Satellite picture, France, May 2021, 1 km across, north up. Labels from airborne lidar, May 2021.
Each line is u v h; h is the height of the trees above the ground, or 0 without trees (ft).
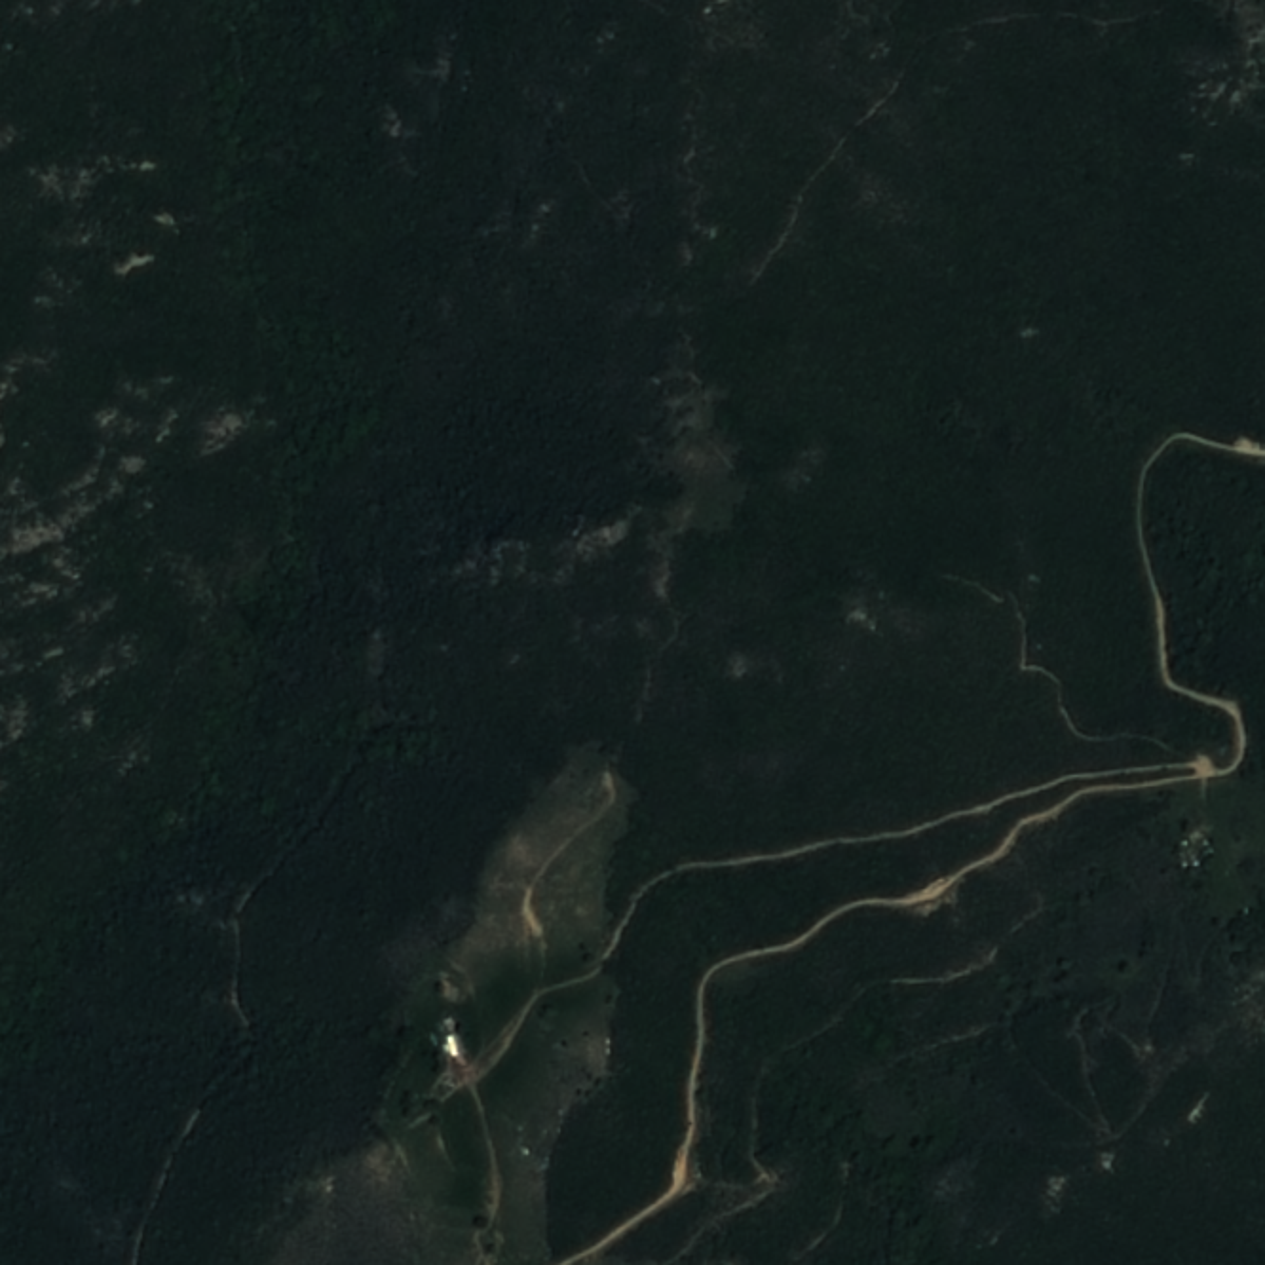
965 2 19
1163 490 26
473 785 18
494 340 19
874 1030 33
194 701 19
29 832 21
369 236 18
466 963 0
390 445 22
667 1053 17
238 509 21
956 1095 0
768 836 18
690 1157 0
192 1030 30
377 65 20
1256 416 19
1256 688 20
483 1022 0
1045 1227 21
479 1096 0
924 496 22
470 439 20
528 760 20
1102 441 21
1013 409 19
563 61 25
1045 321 20
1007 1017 32
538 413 23
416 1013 0
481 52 18
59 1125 25
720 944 19
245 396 21
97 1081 19
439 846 17
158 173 18
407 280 21
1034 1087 18
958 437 24
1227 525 24
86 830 22
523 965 0
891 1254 40
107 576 19
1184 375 22
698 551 19
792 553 20
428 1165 0
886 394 18
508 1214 0
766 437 17
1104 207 19
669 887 28
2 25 21
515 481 20
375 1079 18
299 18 23
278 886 20
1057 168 21
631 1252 18
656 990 18
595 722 20
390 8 39
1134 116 18
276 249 22
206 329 21
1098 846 21
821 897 25
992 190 22
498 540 34
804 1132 34
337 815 19
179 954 18
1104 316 21
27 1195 18
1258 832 0
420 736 48
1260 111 20
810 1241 23
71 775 24
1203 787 0
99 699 27
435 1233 0
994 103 17
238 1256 20
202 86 17
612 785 0
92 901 25
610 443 18
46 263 23
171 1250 20
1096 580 18
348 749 17
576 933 0
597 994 0
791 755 19
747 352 19
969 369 18
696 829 19
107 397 18
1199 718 20
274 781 22
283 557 31
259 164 21
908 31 18
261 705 22
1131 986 0
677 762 20
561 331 27
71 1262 21
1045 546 17
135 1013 20
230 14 59
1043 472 23
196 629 28
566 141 27
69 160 20
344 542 18
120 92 19
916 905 0
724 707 17
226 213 17
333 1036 24
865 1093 17
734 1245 18
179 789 21
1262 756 22
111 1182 21
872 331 19
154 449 18
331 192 20
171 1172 19
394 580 19
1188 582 27
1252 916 21
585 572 18
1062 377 21
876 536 19
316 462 31
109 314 18
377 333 19
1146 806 18
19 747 30
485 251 31
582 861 0
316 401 22
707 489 0
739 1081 20
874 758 18
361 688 19
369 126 22
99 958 22
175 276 30
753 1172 19
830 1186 22
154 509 17
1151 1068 0
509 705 18
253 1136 24
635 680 18
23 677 24
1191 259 18
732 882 27
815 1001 18
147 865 19
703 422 0
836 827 18
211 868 26
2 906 20
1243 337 17
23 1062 20
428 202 20
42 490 21
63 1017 19
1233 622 24
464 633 21
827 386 19
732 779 17
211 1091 18
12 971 28
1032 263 21
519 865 0
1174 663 39
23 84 20
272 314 28
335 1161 19
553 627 18
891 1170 29
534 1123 0
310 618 19
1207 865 23
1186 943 0
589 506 19
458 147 22
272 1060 23
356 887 20
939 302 20
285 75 27
